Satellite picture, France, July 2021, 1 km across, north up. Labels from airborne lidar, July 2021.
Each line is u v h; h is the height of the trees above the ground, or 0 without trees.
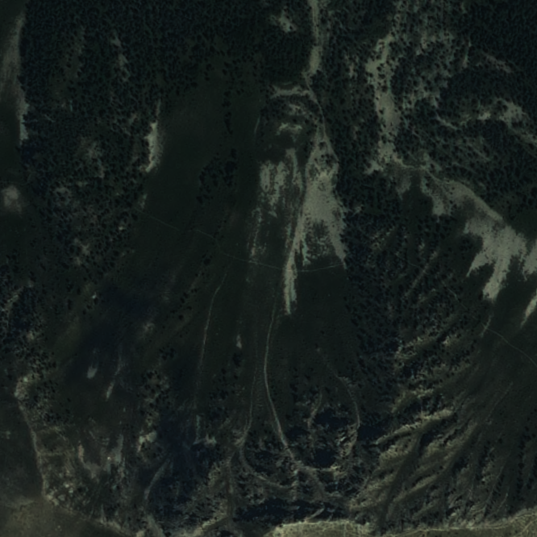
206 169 11
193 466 0
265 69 7
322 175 0
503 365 0
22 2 0
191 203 0
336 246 0
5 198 0
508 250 0
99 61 12
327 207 0
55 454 0
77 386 0
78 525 0
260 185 0
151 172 0
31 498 0
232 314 0
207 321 0
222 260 0
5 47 0
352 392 0
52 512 0
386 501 0
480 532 0
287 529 0
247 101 0
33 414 0
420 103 10
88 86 16
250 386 0
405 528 0
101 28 17
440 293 8
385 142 8
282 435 0
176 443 0
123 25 15
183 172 0
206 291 0
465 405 0
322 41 0
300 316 0
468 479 0
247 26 18
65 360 0
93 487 0
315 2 0
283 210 0
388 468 0
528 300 0
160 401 15
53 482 0
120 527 0
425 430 0
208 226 0
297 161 0
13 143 0
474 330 7
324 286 0
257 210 0
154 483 0
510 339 0
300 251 0
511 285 0
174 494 0
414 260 0
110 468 0
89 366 0
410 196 0
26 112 0
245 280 0
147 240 0
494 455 8
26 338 10
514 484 0
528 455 0
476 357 0
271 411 0
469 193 0
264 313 0
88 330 0
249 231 0
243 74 7
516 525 0
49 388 10
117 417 0
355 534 0
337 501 0
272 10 11
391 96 0
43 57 9
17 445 0
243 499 0
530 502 0
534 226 0
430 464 0
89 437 0
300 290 0
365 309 12
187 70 8
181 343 0
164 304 0
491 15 23
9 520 0
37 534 0
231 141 0
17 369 0
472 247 11
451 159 13
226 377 7
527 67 15
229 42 13
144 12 18
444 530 0
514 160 10
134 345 0
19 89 0
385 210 7
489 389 0
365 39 6
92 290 0
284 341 0
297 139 0
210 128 0
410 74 12
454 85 14
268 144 0
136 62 6
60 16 8
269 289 0
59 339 0
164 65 17
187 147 0
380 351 6
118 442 0
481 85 13
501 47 18
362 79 11
